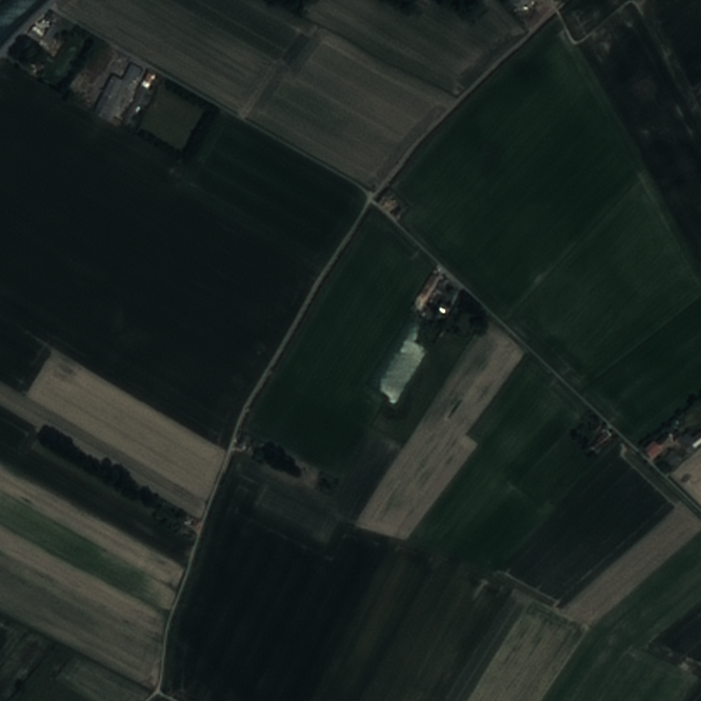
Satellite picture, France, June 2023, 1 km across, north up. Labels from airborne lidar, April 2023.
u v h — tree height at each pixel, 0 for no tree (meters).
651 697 0
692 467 0
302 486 0
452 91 0
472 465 0
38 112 0
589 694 0
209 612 0
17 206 0
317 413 0
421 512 0
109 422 0
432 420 0
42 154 0
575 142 0
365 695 0
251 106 0
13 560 0
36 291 0
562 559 0
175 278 0
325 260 0
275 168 0
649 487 0
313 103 0
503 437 0
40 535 0
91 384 0
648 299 0
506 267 0
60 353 0
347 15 0
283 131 0
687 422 0
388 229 0
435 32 0
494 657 0
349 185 0
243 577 0
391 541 0
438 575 0
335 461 0
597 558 0
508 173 0
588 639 0
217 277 0
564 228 0
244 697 0
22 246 0
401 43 0
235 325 0
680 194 0
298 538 0
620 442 0
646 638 0
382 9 0
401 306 0
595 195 0
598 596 0
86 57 9
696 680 0
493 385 0
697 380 0
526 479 0
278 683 0
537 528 0
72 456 24
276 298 0
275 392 0
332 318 0
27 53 14
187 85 0
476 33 0
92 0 0
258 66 0
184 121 0
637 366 0
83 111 0
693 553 0
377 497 0
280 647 0
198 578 0
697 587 0
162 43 0
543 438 0
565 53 0
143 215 0
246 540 0
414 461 0
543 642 0
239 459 0
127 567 0
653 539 0
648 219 0
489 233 0
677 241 0
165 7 0
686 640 0
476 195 0
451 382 0
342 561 0
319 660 0
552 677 0
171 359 0
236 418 0
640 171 0
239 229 0
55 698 0
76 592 0
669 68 0
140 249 0
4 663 0
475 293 0
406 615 0
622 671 0
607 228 0
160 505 6
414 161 0
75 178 0
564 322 0
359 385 0
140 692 0
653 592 0
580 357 0
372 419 0
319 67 0
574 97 0
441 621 0
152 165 0
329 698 0
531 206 0
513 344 0
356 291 0
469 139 0
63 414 0
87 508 0
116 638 0
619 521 0
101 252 0
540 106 0
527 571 0
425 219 0
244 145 0
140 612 0
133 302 0
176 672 0
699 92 0
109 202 0
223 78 0
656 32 0
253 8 0
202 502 0
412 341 0
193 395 0
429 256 0
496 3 0
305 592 0
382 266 0
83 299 0
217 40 0
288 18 0
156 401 0
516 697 0
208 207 0
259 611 0
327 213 0
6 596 0
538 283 0
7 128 0
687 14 0
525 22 0
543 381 0
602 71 0
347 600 0
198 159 0
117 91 0
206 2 0
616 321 0
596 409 0
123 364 0
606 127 0
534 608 0
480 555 0
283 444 0
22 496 0
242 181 0
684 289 0
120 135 0
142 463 0
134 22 0
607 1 0
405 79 0
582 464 0
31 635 0
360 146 0
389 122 0
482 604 0
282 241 0
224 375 0
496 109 0
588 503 0
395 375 0
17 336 0
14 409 0
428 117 0
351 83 0
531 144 0
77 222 0
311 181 0
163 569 0
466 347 0
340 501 0
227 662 0
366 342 0
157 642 0
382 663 0
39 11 0
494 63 0
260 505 0
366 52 0
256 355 0
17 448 0
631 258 0
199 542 0
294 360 0
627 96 0
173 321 0
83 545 0
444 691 0
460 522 0
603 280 0
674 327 0
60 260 0
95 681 0
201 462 0
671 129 0
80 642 0
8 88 0
